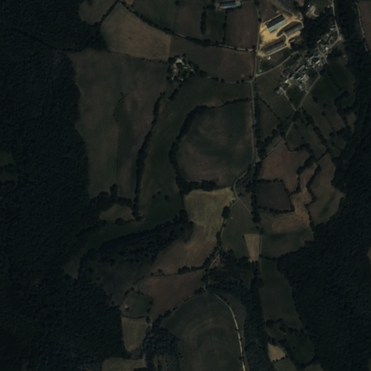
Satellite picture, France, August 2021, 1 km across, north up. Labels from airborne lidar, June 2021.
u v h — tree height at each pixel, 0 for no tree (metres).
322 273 20
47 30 18
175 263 0
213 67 0
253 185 12
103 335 19
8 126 18
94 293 10
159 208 0
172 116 0
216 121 0
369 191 19
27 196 14
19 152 14
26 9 22
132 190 0
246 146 0
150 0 0
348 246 18
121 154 0
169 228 16
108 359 12
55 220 20
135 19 0
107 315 17
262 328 14
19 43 20
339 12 7
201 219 0
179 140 15
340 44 0
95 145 0
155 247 17
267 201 0
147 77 0
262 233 12
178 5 16
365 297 21
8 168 17
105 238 0
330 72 11
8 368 20
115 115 6
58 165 20
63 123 23
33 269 17
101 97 0
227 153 0
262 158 9
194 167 0
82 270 14
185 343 0
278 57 0
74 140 17
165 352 14
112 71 0
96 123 0
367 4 0
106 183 0
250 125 0
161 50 0
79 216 22
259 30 0
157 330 15
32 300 23
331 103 0
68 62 10
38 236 19
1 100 25
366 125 19
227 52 0
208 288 14
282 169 0
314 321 18
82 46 18
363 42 9
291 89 0
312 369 0
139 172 14
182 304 0
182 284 0
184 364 0
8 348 25
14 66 14
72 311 23
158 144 0
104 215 0
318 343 16
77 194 15
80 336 21
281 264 21
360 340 14
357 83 9
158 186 0
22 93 15
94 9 0
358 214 19
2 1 18
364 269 14
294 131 0
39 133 23
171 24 0
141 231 0
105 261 12
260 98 7
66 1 16
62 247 23
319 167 10
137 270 0
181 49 0
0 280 23
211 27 0
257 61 0
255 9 0
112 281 0
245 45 0
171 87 0
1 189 22
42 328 23
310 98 0
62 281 22
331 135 10
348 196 12
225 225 7
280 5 0
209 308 0
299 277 24
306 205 8
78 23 13
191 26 0
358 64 16
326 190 0
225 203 0
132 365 0
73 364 11
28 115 15
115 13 0
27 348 17
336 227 18
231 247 0
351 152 16
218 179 0
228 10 9
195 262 0
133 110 0
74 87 23
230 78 0
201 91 0
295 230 0
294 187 0
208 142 0
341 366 19
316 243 10
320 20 16
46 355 10
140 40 0
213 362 0
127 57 0
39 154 17
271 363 9
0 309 18
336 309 20
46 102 15
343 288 18
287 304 0
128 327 0
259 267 15
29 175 25
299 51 12
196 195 0
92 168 0
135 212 12
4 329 14
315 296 18
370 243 13
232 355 0
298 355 0
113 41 0
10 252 31
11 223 21
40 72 14
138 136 0
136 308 0
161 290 0
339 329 20
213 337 0
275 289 0
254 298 18
